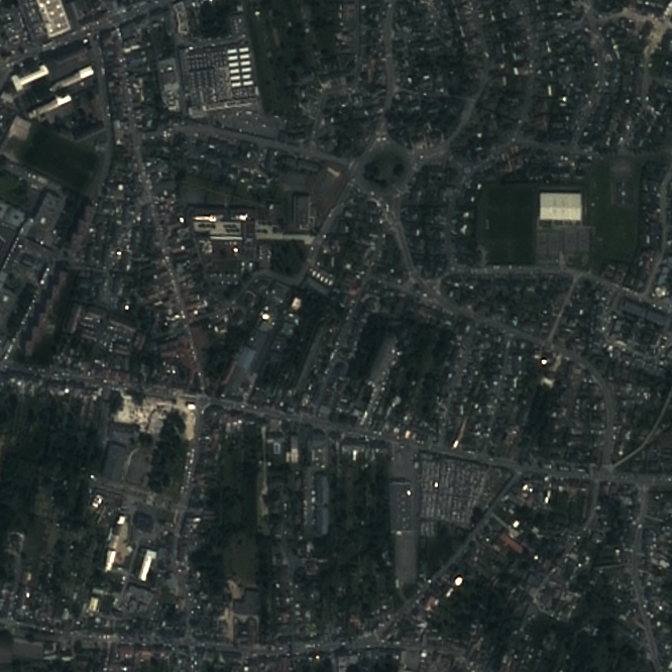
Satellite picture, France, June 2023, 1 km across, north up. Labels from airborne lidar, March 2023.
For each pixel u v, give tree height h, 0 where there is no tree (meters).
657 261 0
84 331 0
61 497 18
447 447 0
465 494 0
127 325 0
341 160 0
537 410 13
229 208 0
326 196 0
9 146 0
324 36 0
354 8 0
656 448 0
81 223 0
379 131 0
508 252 0
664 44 9
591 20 0
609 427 0
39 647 0
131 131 0
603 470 0
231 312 7
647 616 0
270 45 0
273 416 0
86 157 0
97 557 7
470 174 0
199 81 0
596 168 0
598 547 9
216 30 6
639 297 0
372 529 11
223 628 0
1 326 0
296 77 13
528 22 0
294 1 0
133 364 8
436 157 0
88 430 7
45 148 0
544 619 0
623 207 0
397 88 0
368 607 10
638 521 0
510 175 10
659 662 0
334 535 14
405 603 0
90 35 0
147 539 0
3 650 0
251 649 0
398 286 0
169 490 0
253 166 0
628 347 0
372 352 12
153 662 13
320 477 0
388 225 0
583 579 6
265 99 0
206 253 0
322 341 0
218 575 12
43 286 0
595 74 0
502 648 9
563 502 0
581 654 11
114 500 0
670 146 0
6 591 0
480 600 10
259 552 8
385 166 0
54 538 0
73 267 0
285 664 0
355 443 0
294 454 0
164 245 0
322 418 0
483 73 0
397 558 0
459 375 0
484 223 0
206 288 9
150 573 15
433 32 0
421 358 5
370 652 0
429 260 8
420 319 0
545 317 0
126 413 0
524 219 0
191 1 0
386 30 0
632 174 0
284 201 0
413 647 0
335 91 0
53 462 15
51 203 0
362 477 9
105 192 8
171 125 0
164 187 0
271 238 0
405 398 10
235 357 0
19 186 10
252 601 0
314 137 0
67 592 0
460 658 0
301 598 0
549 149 0
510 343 0
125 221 0
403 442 0
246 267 0
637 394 0
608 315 0
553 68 7
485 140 10
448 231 0
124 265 0
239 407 0
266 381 9
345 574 12
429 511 0
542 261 0
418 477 0
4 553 11
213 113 0
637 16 0
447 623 9
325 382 0
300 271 0
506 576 9
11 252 0
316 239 0
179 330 0
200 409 0
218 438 0
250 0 0
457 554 0
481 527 0
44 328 0
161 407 0
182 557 0
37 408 0
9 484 10
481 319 0
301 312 12
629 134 0
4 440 0
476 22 0
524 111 0
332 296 7
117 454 0
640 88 0
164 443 11
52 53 9
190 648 0
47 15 0
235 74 0
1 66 0
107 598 0
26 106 0
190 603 0
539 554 7
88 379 0
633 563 0
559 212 0
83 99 0
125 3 0
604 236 0
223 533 11
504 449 0
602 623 10
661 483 0
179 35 0
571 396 0
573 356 0
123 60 0
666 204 0
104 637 0
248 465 14
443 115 10
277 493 6
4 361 0
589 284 9
